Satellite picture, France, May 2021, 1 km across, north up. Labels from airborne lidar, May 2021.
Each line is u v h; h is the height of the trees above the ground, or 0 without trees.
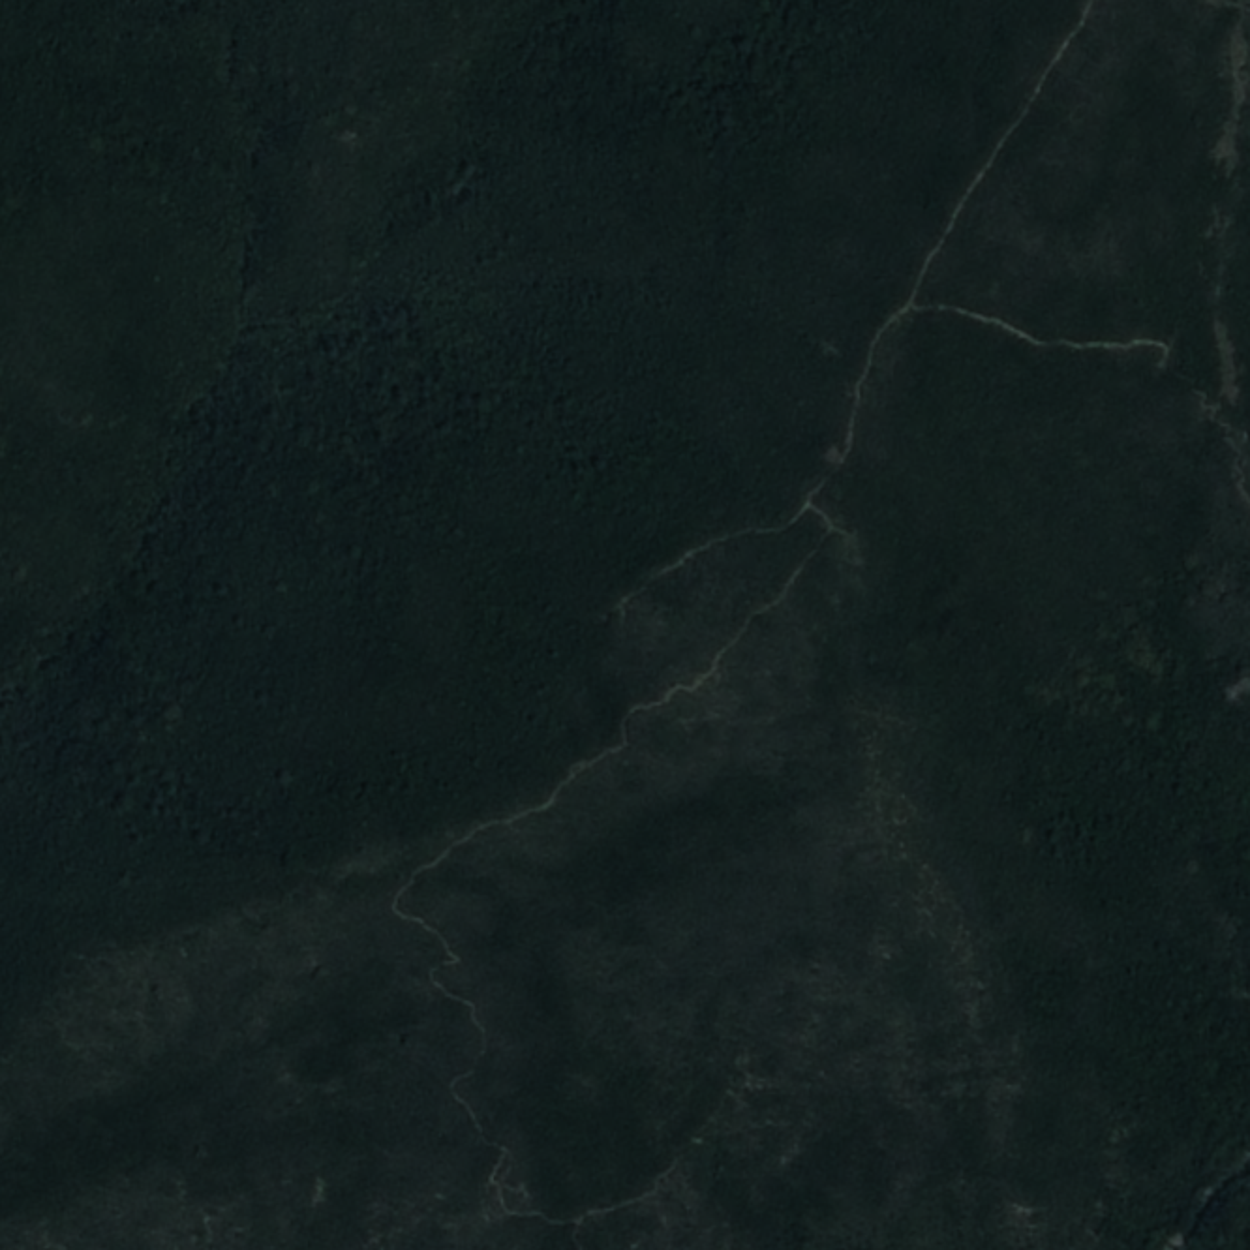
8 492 6
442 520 10
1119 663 7
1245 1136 11
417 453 13
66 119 8
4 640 10
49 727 16
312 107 6
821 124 8
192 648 6
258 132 14
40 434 9
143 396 7
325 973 10
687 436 11
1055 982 10
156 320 6
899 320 0
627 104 13
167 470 17
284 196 7
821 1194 5
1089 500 6
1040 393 5
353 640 7
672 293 7
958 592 6
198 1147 9
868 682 6
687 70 10
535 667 7
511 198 9
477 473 9
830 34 10
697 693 0
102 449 7
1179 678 8
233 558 8
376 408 9
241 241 14
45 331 6
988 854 8
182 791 14
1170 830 6
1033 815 10
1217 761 7
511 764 8
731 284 7
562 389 10
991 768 7
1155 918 6
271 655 7
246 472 12
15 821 8
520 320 10
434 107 7
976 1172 6
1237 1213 18
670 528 6
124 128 12
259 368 11
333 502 8
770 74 15
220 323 9
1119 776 8
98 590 11
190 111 8
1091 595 8
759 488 6
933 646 6
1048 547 5
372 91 8
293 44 6
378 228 9
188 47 11
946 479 7
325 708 6
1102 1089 6
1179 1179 6
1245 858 10
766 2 14
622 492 8
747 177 6
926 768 6
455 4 6
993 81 6
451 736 6
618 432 8
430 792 8
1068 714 8
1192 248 5
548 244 6
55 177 8
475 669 7
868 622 7
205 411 14
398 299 7
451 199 19
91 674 19
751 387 6
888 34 7
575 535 6
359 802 10
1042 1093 6
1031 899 6
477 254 6
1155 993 8
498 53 14
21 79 7
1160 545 8
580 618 6
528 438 10
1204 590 11
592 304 10
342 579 8
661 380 8
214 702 7
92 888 6
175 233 8
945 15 6
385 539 8
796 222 6
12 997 6
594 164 7
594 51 15
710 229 7
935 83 6
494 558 8
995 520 6
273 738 8
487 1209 0
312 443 10
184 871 6
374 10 6
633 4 9
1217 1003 6
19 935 9
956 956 0
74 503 8
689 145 7
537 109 10
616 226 6
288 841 9
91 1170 6
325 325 8
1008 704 9
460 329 13
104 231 6
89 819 9
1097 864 10
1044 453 5
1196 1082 9
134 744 7
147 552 16
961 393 5
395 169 7
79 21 9
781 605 0
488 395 14
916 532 7
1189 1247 9
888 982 0
